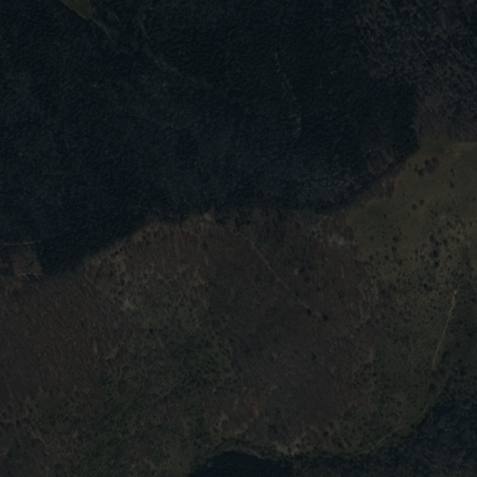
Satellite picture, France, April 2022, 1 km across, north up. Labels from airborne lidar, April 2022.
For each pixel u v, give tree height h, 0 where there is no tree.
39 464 19
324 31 25
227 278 25
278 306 10
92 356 17
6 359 18
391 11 31
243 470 21
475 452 8
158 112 31
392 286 8
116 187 25
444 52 25
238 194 22
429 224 0
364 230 0
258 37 31
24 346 23
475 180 0
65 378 17
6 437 20
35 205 27
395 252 10
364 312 18
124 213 21
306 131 25
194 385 11
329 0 25
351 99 23
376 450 7
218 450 10
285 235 13
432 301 7
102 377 6
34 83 32
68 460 6
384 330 8
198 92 28
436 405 7
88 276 18
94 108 30
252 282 18
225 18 28
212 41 29
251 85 30
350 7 20
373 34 26
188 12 32
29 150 33
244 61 29
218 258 23
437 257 17
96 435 12
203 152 28
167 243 21
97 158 31
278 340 16
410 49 32
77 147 29
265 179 26
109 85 29
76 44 31
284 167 25
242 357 12
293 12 26
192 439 6
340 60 18
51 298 22
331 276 10
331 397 22
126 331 16
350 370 18
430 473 11
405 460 7
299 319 13
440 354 0
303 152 31
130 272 19
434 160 11
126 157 27
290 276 12
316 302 10
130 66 29
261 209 17
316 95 25
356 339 16
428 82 25
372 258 11
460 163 0
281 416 16
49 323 22
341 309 10
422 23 35
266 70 26
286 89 26
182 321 13
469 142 8
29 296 17
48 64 29
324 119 27
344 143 22
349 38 17
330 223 7
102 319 25
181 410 24
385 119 18
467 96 30
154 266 7
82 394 17
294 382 14
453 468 11
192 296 10
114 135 33
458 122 19
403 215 0
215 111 33
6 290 25
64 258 18
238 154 22
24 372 18
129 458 16
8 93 31
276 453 14
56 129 33
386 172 10
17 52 29
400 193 0
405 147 20
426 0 33
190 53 34
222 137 28
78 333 24
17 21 29
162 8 34
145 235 7
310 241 8
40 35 33
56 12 32
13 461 21
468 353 0
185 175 30
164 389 17
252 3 30
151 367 15
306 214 6
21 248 24
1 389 22
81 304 23
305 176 26
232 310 19
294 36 26
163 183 29
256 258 11
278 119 30
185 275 11
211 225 11
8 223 26
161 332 13
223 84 39
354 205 18
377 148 18
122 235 26
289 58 23
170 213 19
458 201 0
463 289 6
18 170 30
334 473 10
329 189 24
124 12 14
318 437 16
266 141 30
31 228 27
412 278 0
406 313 8
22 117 32
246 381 8
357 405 11
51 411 0
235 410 16
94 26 16
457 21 35
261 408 11
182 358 19
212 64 29
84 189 27
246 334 14
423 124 16
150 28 29
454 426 20
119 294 9
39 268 0
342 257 12
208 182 30
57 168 28
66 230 24
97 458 15
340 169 25
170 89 30
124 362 19
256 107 34
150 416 19
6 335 17
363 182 16
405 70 28
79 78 29
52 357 23
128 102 33
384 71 24
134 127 30
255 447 12
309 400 23
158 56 15
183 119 33
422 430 18
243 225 13
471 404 15
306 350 15
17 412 13
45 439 8
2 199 26
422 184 0
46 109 42
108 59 30
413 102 21
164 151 30
